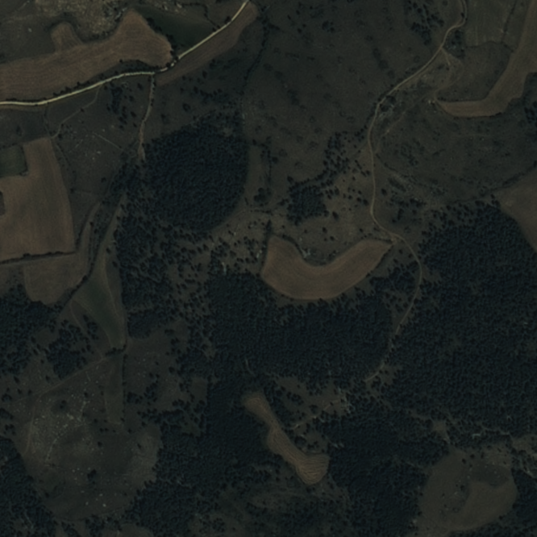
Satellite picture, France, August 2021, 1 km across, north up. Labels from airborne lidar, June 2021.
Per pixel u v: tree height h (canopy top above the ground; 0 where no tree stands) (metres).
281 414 12
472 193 0
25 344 9
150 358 0
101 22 0
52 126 0
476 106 0
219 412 14
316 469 0
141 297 14
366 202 11
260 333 11
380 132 0
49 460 0
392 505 18
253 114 0
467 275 14
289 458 0
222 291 13
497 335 12
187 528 10
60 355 14
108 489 0
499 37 0
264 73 0
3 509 12
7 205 0
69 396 0
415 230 0
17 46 0
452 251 12
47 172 0
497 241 12
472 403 8
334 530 8
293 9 0
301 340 13
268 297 12
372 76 0
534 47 0
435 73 0
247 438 13
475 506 0
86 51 0
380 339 12
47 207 0
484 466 0
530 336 8
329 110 0
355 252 0
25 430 0
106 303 0
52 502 0
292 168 0
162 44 0
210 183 11
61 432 0
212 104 0
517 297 11
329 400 0
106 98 0
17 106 0
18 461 14
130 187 13
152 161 9
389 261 0
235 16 0
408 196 0
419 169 0
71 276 0
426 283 10
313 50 0
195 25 0
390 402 10
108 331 0
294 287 0
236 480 11
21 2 0
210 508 11
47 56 0
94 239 0
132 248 10
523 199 0
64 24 0
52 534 12
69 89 8
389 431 12
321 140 0
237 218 0
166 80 0
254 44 0
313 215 8
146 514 14
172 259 9
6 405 0
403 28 0
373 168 0
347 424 12
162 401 0
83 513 0
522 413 10
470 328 8
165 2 0
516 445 0
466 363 10
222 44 0
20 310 11
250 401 0
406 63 0
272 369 10
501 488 0
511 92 0
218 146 11
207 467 14
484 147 0
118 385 0
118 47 0
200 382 0
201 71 0
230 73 0
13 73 0
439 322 9
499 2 0
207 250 6
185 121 0
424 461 12
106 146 0
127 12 0
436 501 0
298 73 0
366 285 0
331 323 15
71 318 0
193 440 13
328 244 0
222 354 9
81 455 0
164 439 11
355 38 0
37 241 0
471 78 0
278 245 0
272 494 0
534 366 14
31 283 0
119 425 0
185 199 9
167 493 11
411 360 10
